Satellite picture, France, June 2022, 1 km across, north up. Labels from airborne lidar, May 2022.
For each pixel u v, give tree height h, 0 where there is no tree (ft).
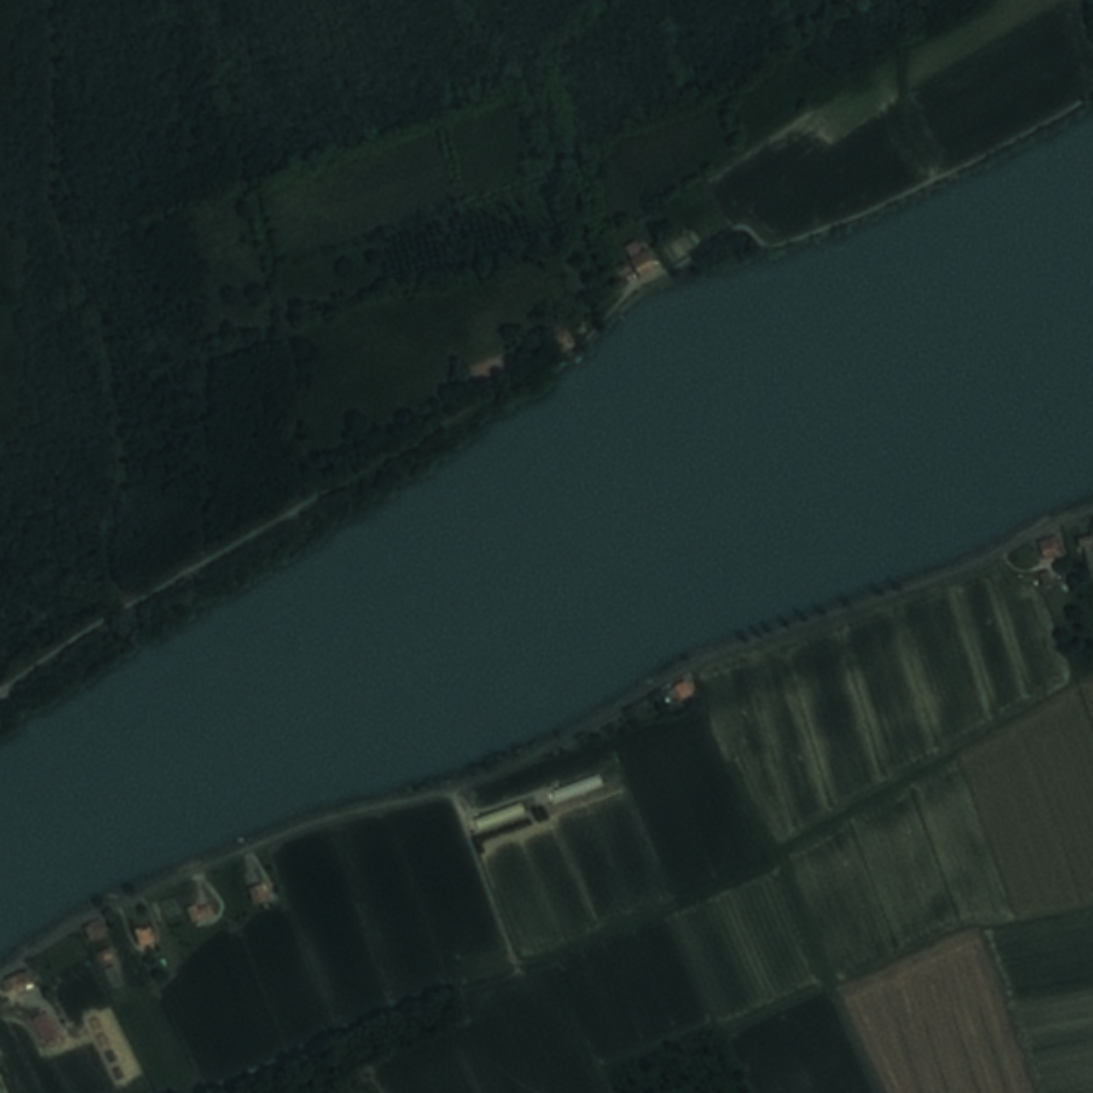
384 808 0
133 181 65
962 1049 0
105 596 103
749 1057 0
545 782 0
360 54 49
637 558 0
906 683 0
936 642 0
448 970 0
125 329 26
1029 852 0
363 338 0
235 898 0
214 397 63
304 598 0
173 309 63
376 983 0
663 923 0
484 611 0
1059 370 0
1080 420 0
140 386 58
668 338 0
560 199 86
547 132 50
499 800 0
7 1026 0
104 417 43
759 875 0
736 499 0
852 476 0
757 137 0
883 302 0
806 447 0
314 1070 81
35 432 41
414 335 0
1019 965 0
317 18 55
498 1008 0
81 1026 0
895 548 0
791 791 0
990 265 0
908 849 0
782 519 0
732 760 0
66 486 59
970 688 0
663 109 53
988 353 0
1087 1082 0
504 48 44
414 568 0
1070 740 0
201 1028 0
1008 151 30
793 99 0
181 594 72
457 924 0
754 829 0
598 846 0
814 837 0
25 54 29
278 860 0
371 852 0
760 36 50
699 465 0
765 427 0
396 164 0
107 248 54
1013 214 0
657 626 0
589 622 0
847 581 0
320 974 0
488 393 68
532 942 0
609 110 58
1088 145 0
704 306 0
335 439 0
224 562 25
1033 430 0
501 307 0
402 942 0
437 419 34
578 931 0
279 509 51
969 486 0
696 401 0
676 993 0
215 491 66
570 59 19
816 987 0
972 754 0
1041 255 0
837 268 0
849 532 0
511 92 78
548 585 0
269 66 48
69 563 55
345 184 0
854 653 0
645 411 0
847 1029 0
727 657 0
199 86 49
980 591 0
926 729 0
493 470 0
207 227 0
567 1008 0
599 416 0
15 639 34
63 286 63
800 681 0
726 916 0
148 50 33
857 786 0
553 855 0
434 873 0
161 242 74
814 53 40
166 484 66
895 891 0
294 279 0
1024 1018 0
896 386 0
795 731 0
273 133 68
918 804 0
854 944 0
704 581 0
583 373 0
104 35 49
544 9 36
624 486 0
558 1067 0
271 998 0
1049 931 0
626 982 0
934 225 0
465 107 83
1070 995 0
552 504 0
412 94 62
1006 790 0
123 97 42
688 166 0
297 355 66
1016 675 0
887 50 31
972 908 0
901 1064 0
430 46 34
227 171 63
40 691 37
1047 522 0
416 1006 66
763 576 0
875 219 22
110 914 32
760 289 0
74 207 57
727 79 52
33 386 28
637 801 0
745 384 0
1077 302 0
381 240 27
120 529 56
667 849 0
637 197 0
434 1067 0
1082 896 0
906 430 0
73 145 44
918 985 0
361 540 0
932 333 0
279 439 78
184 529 58
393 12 30
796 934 0
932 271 0
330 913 0
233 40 31
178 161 90
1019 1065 0
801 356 0
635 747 0
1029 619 0
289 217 0
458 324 0
